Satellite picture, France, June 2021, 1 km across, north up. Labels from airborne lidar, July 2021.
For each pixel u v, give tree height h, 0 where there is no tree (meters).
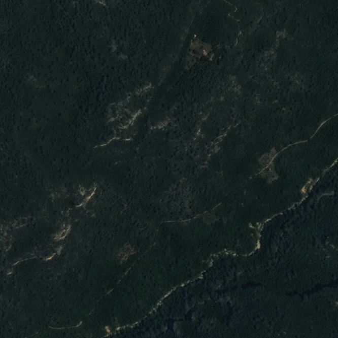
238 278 17
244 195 8
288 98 12
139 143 20
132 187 9
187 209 24
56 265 7
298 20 7
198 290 15
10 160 17
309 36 11
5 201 11
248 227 17
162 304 15
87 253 10
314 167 14
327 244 10
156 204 8
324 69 9
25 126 7
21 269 12
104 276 13
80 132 8
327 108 12
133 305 26
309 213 19
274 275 10
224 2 7
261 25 9
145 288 21
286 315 7
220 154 10
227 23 7
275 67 7
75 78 7
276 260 28
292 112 7
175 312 15
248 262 13
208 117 6
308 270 15
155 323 25
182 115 18
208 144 20
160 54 13
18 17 11
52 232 6
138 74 15
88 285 8
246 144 8
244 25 8
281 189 12
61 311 10
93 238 10
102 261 7
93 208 10
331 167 12
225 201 8
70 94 8
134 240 6
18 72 7
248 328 11
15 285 18
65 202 9
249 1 6
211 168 17
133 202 20
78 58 8
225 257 15
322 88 12
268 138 8
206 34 12
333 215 11
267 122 14
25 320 8
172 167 15
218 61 18
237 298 7
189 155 21
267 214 16
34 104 5
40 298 7
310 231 7
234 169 15
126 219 10
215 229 14
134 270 6
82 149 8
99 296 15
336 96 6
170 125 16
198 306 11
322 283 12
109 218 11
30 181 7
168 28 7
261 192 10
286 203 12
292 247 16
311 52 12
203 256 23
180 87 9
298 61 8
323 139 10
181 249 23
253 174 7
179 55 15
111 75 7
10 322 10
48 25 11
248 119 13
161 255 10
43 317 11
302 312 10
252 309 8
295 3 11
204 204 10
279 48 8
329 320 10
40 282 8
